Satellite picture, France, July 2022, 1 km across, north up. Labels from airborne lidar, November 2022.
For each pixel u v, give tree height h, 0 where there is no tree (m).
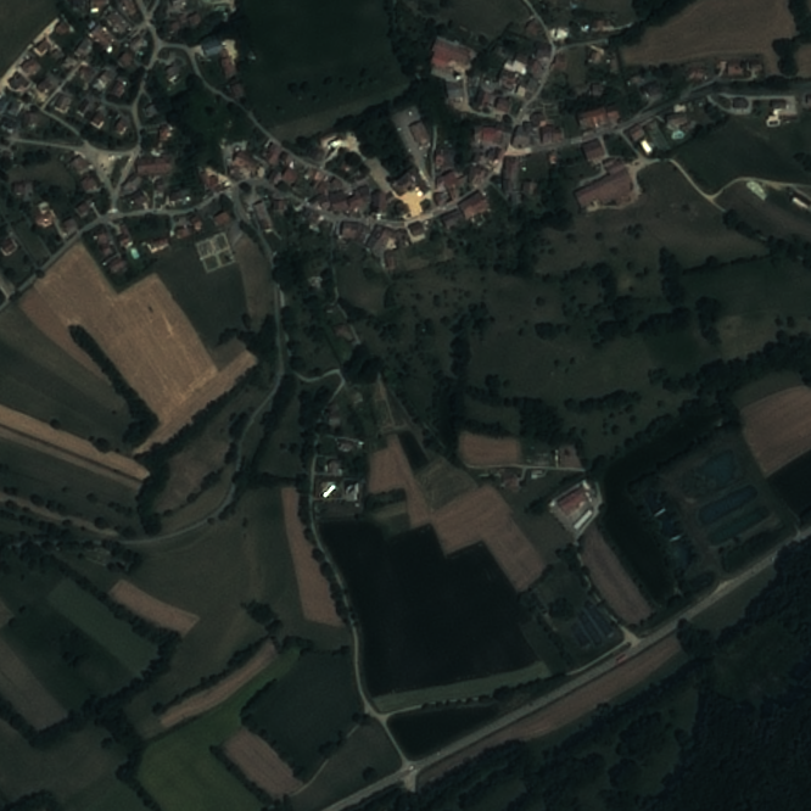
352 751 0
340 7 0
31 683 0
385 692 0
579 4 0
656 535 6
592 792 0
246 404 0
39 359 0
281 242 0
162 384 0
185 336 0
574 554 11
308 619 0
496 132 0
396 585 0
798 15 16
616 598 0
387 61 0
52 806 19
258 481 19
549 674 0
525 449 0
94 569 0
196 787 0
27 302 0
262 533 0
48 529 10
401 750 0
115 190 0
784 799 24
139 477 0
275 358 11
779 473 0
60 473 0
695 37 0
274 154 0
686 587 13
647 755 23
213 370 0
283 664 0
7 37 0
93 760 0
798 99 0
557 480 0
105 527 15
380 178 0
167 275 0
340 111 0
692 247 0
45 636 0
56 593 0
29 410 0
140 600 0
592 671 0
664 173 0
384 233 0
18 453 0
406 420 0
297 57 0
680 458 11
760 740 23
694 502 0
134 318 0
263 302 0
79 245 0
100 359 13
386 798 7
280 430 15
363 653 0
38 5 0
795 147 0
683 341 0
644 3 18
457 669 0
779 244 12
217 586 0
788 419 0
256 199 0
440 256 0
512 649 0
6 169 16
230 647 0
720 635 0
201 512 0
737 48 0
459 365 17
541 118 0
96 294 0
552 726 0
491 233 0
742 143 0
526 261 16
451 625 0
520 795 0
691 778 26
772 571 0
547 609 0
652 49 0
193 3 0
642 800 11
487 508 0
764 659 0
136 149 0
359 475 12
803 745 27
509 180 0
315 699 0
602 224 0
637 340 0
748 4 0
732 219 16
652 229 0
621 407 13
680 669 0
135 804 0
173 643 16
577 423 0
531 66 0
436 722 0
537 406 18
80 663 11
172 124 13
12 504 10
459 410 20
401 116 0
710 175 0
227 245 0
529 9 0
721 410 8
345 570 0
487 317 8
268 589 0
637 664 0
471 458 0
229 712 0
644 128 8
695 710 0
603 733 23
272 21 0
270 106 0
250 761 0
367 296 0
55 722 0
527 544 0
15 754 0
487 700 9
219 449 0
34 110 11
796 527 0
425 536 0
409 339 0
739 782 24
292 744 0
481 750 0
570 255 0
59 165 0
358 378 16
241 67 13
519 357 0
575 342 0
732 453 0
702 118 0
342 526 0
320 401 18
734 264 9
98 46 12
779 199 0
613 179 0
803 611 22
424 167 0
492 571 0
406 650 0
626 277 0
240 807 0
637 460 0
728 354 0
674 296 20
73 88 7
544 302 9
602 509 7
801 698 25
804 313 0
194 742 0
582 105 8
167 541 0
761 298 0
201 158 18
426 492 0
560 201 12
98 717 9
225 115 0
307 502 15
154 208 0
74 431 0
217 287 0
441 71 0
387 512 0
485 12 0
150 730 0
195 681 0
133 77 8
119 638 0
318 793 0
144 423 12
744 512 0
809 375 23
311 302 14
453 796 20
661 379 12
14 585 0
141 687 17
